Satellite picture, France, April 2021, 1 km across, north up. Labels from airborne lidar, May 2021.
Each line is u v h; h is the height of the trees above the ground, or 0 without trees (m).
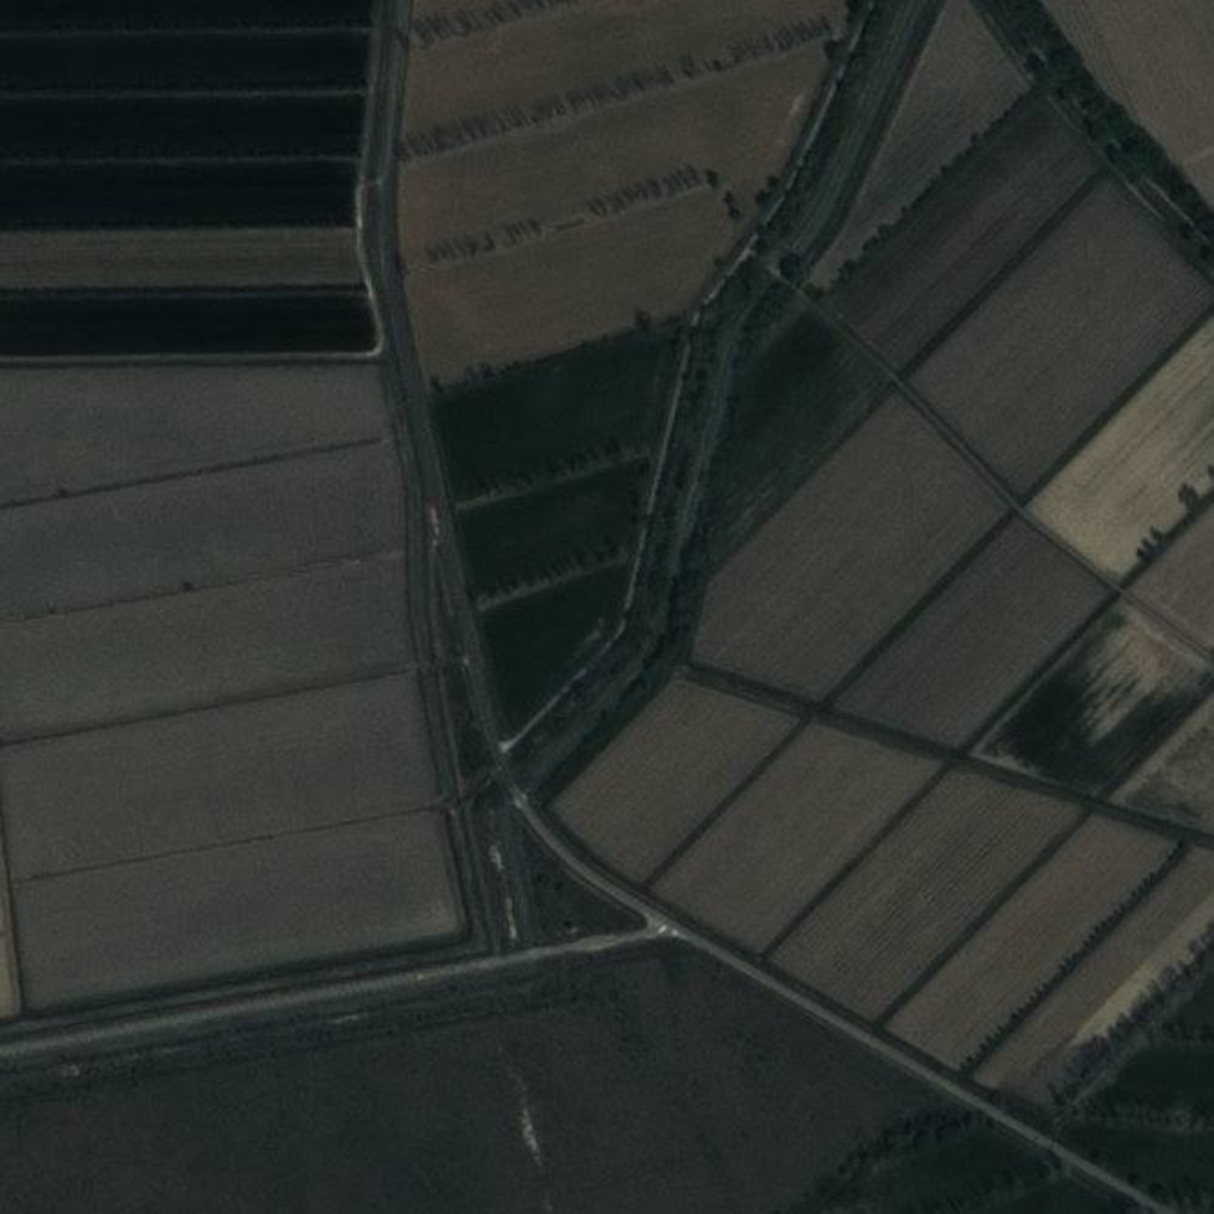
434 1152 0
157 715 0
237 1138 0
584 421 0
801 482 0
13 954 0
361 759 0
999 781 0
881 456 0
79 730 0
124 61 0
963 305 0
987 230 0
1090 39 0
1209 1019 0
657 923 0
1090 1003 0
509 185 0
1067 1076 0
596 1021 0
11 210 0
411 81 0
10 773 0
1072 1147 0
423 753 0
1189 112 0
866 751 0
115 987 0
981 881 0
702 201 0
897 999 0
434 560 0
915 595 0
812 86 0
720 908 0
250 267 0
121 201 0
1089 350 0
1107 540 0
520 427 0
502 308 0
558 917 0
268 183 0
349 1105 0
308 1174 0
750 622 0
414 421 0
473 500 0
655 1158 0
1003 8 14
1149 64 0
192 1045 0
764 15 0
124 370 0
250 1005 0
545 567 0
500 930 0
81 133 0
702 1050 0
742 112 0
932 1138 14
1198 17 0
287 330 0
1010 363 0
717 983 0
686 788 0
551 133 0
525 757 6
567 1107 0
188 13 0
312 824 0
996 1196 22
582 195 0
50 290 7
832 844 0
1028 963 0
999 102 0
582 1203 0
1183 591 0
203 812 0
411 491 0
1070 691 0
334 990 0
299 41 0
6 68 0
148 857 0
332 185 0
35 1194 0
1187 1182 0
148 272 0
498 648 0
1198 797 0
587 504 0
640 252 0
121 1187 0
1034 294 0
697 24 0
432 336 0
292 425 0
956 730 0
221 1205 0
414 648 0
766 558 0
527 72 0
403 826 0
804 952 0
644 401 0
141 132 0
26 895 0
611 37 0
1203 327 0
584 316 0
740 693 0
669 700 0
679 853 0
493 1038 0
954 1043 0
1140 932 0
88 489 0
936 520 0
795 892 0
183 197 0
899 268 0
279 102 0
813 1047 0
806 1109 0
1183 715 0
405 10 0
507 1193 0
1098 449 0
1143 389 0
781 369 0
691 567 13
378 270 0
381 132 0
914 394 0
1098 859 0
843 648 0
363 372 0
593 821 0
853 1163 10
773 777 0
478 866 0
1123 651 0
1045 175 0
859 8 16
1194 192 10
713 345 13
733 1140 0
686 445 7
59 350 0
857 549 0
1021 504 0
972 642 0
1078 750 0
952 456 0
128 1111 0
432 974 0
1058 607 0
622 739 0
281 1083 0
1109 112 15
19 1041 0
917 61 0
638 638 11
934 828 0
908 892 0
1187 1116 24
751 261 8
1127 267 0
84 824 0
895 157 0
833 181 0
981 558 0
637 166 0
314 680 0
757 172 0
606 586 0
